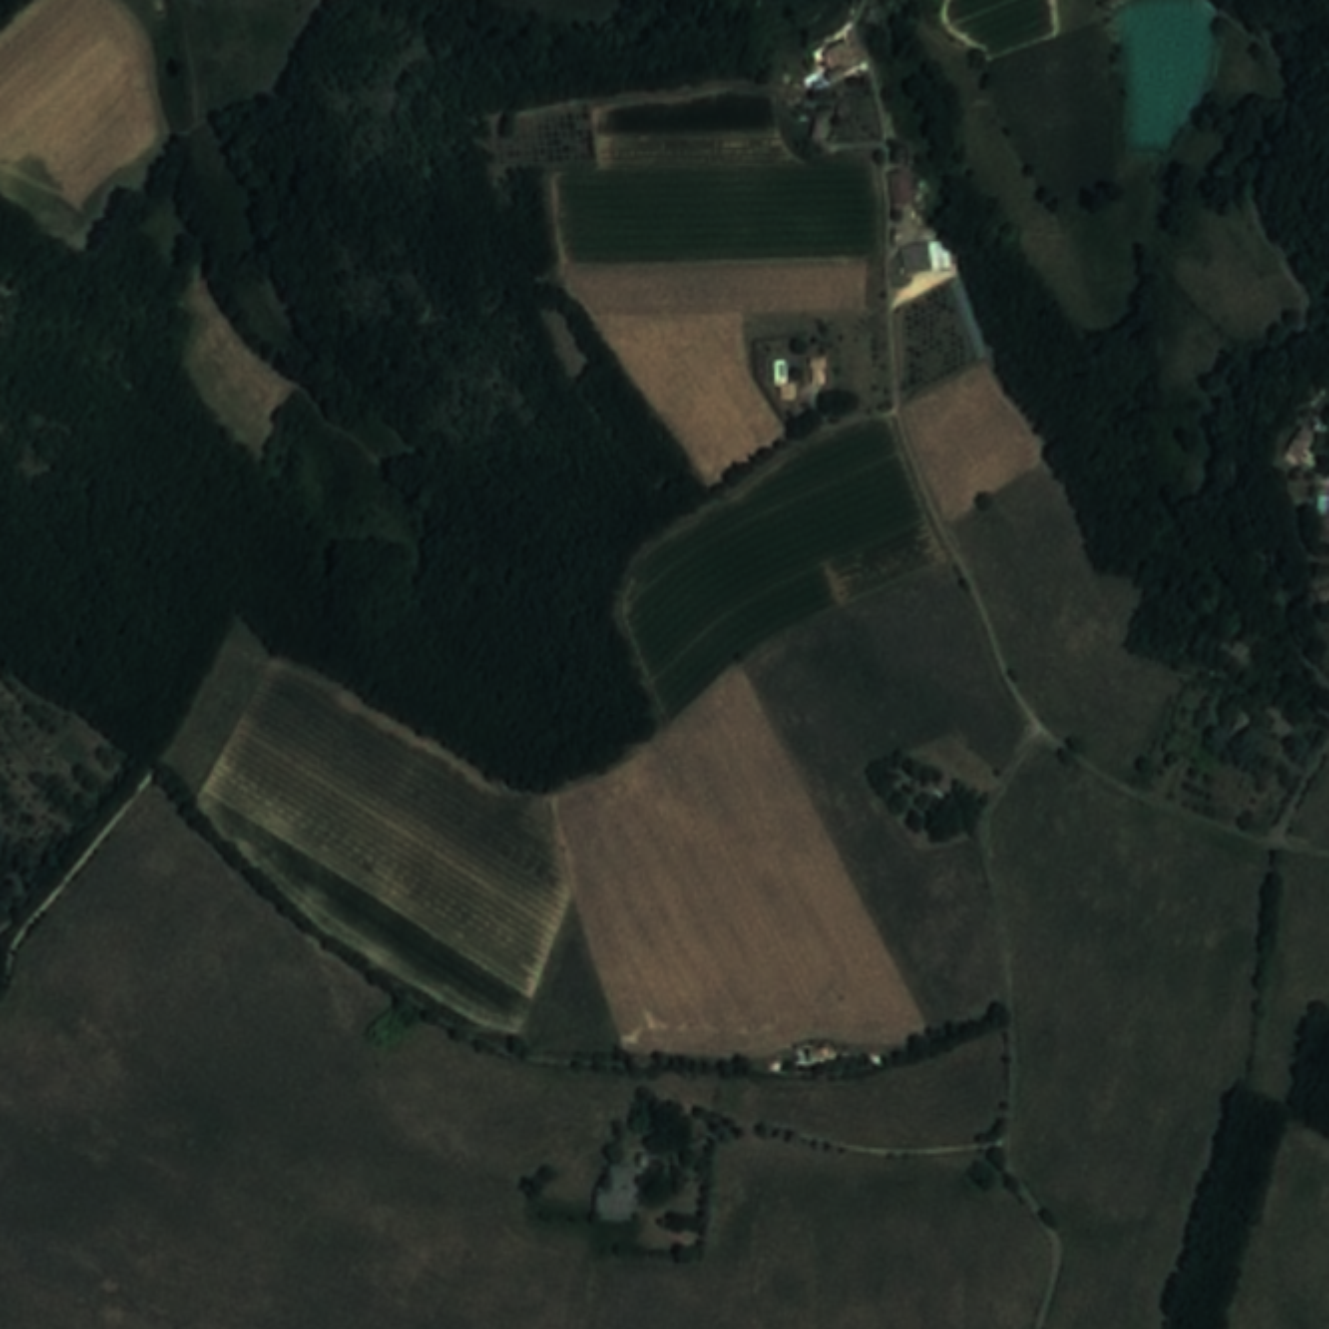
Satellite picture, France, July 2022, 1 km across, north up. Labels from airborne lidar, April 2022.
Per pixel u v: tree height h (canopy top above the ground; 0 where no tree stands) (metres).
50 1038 0
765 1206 0
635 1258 0
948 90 20
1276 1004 0
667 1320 0
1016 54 0
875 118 0
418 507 20
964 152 12
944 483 0
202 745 0
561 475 14
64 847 11
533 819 0
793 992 0
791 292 0
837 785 0
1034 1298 0
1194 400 0
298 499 11
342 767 0
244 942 0
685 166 0
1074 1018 0
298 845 0
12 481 12
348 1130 0
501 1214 0
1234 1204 16
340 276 10
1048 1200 0
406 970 0
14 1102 0
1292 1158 0
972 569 0
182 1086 0
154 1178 0
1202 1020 0
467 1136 0
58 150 0
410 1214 0
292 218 16
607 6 0
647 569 0
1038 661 0
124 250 17
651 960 0
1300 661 7
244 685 0
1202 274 0
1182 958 0
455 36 11
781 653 0
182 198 14
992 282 17
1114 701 0
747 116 0
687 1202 0
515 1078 0
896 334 0
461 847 0
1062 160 0
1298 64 14
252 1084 0
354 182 6
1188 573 16
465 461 11
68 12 0
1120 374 32
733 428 0
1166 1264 0
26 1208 0
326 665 12
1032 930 0
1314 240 12
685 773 0
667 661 0
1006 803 0
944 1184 0
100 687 16
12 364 11
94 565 10
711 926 0
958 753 0
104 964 0
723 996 0
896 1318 0
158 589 13
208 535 11
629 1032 0
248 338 10
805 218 0
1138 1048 0
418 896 0
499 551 17
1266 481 17
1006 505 0
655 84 12
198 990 0
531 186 10
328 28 12
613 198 0
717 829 0
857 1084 0
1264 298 0
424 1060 0
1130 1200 0
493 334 7
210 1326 0
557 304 9
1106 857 0
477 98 11
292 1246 0
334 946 10
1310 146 16
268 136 23
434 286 8
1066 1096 0
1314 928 0
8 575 13
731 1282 0
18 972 0
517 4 0
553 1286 0
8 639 14
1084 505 15
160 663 16
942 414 0
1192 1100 0
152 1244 0
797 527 0
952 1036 10
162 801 0
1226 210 14
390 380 15
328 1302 0
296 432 8
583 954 0
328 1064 0
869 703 0
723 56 16
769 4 0
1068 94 0
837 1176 0
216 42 0
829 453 0
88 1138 0
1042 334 16
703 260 0
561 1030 0
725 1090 0
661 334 0
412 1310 0
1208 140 0
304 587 13
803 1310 0
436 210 11
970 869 0
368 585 8
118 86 0
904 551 0
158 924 0
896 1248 0
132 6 0
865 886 0
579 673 11
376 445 0
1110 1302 0
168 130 0
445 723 12
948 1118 0
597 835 0
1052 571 0
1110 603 0
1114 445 23
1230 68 0
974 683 0
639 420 13
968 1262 0
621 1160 11
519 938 0
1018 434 0
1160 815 0
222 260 16
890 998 0
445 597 17
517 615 18
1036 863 0
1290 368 20
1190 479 0
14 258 11
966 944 0
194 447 16
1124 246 0
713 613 0
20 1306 0
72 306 10
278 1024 0
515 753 19
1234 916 0
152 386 16
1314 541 13
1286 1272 0
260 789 0
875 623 0
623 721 12
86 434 10
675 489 11
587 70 19
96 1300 0
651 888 0
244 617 6
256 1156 0
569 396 10
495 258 8
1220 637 16
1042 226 0
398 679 9
